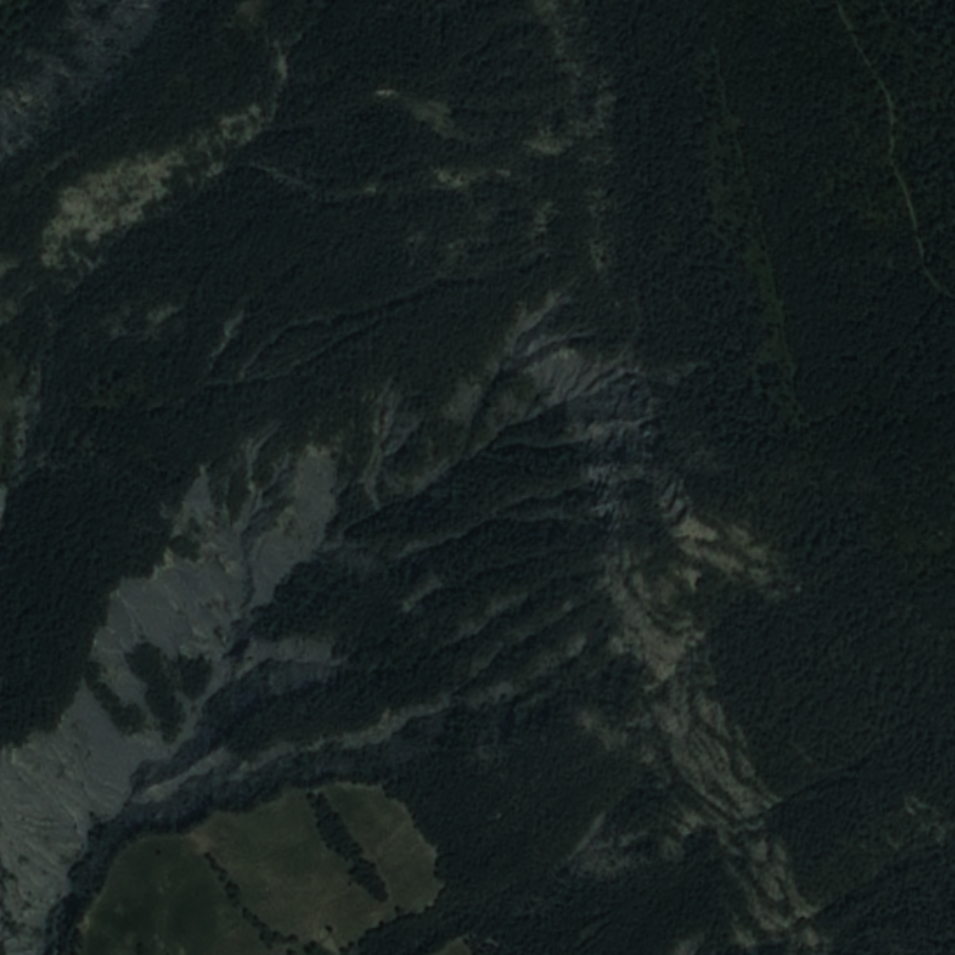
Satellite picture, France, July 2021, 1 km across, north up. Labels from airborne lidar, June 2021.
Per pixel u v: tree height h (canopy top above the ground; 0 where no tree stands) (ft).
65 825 0
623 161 20
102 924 0
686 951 0
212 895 0
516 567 18
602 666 24
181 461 28
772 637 35
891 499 29
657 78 44
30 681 30
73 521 30
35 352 23
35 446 20
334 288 24
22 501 19
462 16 21
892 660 38
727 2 31
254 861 0
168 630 0
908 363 36
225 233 35
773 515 35
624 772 20
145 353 32
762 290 24
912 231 19
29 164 22
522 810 22
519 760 26
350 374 24
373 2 28
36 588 37
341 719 20
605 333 20
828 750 21
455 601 27
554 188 18
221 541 0
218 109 26
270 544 0
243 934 0
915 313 39
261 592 0
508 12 26
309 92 23
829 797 22
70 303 26
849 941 23
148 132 31
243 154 22
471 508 34
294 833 0
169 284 24
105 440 18
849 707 26
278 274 26
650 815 23
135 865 0
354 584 22
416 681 34
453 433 28
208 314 29
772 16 33
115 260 27
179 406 25
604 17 32
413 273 28
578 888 21
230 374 23
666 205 37
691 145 41
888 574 29
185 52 33
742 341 35
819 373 38
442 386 22
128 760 0
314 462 0
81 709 0
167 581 0
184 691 22
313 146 30
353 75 30
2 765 0
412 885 0
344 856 32
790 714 31
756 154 28
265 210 38
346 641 30
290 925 0
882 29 35
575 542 20
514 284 19
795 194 29
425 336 35
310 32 30
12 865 0
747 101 38
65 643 39
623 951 24
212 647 0
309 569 23
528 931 18
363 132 25
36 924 0
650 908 30
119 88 20
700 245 45
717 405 42
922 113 48
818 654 22
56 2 23
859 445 31
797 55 31
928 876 26
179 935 0
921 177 37
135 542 26
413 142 28
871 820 23
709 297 28
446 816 24
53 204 23
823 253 25
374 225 33
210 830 0
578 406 0
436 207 20
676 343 27
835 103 32
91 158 20
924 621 32
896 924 26
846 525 31
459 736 24
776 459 23
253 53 30
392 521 32
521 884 18
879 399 40
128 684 0
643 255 32
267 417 18
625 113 36
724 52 26
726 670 25
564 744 22
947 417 49
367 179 36
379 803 0
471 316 24
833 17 44
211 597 0
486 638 21
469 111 23
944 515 22
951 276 51
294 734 22
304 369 25
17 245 27
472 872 30
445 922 26
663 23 40
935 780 35
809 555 32
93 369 31
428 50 44
